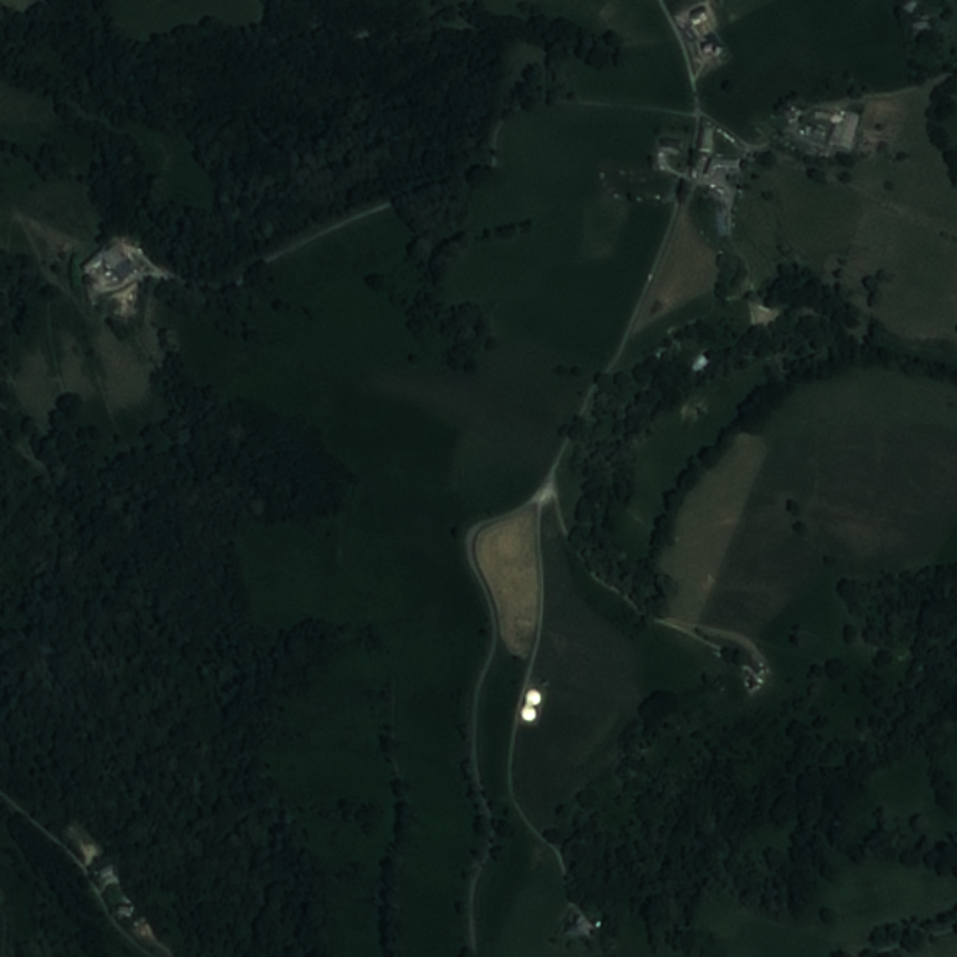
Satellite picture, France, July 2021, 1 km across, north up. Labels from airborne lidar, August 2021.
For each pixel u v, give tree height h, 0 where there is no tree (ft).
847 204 0
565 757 0
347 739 0
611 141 0
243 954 74
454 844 0
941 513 0
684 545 0
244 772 54
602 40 34
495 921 0
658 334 0
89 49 30
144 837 41
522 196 0
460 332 36
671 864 73
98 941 20
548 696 0
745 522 0
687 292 0
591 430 30
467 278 0
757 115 0
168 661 44
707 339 56
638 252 0
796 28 0
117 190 80
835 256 0
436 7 57
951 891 0
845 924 0
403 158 69
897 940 73
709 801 21
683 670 0
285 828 21
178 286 73
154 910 41
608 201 0
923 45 48
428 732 0
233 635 76
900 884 0
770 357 54
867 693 54
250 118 46
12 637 107
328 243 0
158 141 0
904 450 0
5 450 70
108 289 0
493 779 0
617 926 61
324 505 29
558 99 34
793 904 56
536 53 0
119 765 97
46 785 55
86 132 57
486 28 78
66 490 83
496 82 74
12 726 90
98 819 43
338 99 55
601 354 0
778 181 0
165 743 19
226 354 0
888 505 0
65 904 48
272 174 95
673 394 71
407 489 0
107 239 43
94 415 0
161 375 22
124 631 82
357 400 0
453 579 0
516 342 0
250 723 74
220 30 69
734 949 0
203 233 70
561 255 0
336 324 0
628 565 53
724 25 0
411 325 30
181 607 76
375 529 0
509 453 0
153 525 81
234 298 64
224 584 67
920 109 0
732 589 0
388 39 94
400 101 96
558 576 0
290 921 77
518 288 0
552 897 0
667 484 0
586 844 90
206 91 40
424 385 0
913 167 0
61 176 25
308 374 0
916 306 0
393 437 0
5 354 29
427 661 0
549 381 0
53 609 100
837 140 0
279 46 59
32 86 35
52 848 36
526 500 0
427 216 52
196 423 37
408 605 0
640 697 0
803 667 0
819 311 73
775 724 32
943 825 0
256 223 59
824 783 99
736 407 0
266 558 0
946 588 87
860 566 0
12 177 0
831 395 0
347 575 0
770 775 26
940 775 36
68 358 0
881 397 0
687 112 0
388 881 57
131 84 69
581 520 52
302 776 0
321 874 63
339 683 0
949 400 0
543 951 0
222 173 85
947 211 0
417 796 0
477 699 0
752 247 0
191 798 23
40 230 0
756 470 0
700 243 0
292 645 91
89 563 78
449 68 111
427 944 0
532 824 0
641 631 45
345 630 32
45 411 0
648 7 0
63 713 74
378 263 0
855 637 49
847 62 0
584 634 0
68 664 75
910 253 0
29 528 83
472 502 0
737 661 65
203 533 63
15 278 71
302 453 51
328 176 75
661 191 0
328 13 74
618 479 58
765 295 64
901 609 82
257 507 82
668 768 47
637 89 0
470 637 0
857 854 75
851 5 0
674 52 0
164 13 0
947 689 75
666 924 78
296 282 0
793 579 0
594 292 0
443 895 0
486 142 60
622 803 59
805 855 59
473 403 0
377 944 0
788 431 0
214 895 31
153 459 63
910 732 73
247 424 51
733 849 37
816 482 0
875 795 0
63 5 46
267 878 70
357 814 57
